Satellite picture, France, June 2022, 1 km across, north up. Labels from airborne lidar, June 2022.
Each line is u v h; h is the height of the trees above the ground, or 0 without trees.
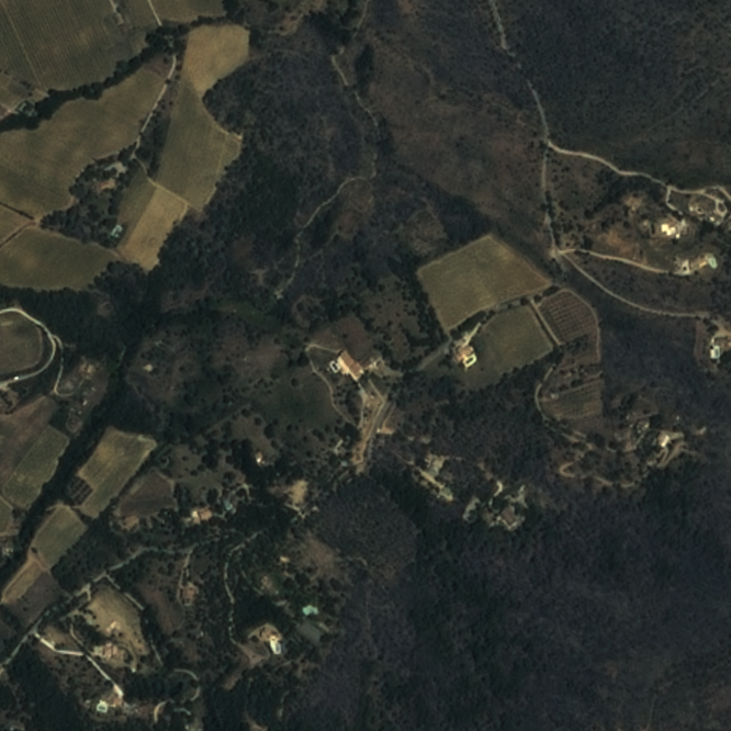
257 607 12
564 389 10
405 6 0
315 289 9
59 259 0
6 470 0
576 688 6
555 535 12
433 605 6
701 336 0
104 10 0
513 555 12
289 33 0
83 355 10
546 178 0
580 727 8
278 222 9
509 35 8
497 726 11
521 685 9
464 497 12
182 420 8
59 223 18
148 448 0
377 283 8
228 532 9
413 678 14
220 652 7
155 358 14
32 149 0
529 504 6
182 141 0
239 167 8
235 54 0
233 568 5
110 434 0
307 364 12
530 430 15
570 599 8
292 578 7
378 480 9
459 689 9
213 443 12
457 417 10
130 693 7
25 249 0
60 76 0
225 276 12
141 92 0
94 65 0
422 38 0
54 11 0
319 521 13
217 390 0
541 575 11
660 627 7
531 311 0
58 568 10
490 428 13
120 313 8
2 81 0
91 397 0
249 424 0
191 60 0
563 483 15
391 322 7
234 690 7
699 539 13
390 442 13
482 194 0
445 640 9
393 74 0
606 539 13
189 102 0
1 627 0
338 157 8
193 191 0
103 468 0
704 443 12
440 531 10
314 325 8
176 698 8
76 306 6
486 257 0
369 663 12
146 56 10
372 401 0
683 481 8
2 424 0
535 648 14
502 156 0
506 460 12
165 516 6
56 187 0
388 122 9
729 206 10
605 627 8
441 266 0
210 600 7
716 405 9
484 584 10
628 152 0
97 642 7
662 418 12
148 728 8
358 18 10
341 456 8
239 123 6
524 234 0
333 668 17
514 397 15
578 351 10
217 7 0
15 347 0
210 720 12
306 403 0
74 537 0
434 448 13
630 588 12
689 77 8
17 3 0
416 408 0
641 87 8
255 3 0
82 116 0
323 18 15
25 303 8
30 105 6
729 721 8
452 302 0
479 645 19
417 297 11
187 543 8
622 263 8
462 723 8
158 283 8
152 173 8
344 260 12
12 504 0
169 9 0
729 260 10
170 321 15
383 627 6
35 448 0
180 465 0
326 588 10
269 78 9
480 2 6
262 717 7
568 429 12
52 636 0
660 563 9
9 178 0
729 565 7
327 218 10
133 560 7
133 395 7
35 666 14
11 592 0
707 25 7
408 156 0
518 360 0
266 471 11
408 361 8
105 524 6
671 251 0
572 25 10
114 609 0
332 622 11
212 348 14
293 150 9
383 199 0
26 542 8
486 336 0
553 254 0
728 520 12
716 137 0
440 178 0
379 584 11
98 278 11
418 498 12
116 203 16
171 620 0
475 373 0
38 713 11
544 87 9
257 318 0
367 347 0
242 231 9
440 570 12
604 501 17
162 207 0
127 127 0
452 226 8
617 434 0
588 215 11
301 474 8
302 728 10
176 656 10
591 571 12
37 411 0
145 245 0
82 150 0
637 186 8
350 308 11
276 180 8
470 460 13
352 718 14
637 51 10
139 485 0
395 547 13
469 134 0
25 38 0
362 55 6
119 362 9
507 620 10
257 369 0
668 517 8
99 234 15
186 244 12
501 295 0
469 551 17
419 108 0
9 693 7
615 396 7
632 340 6
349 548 12
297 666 9
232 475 13
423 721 7
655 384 9
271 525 10
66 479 7
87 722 7
